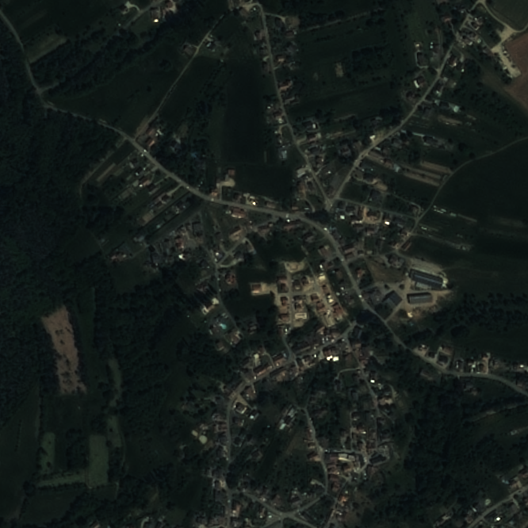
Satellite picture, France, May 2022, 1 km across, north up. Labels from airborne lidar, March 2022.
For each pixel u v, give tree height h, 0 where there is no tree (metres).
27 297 23
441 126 0
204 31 0
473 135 0
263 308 0
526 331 0
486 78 0
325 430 6
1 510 0
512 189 0
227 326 0
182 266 25
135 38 17
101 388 12
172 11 0
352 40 0
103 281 15
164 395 14
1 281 31
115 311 16
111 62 16
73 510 16
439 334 14
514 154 0
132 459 0
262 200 0
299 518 0
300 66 7
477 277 0
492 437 9
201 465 10
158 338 33
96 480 0
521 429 0
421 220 0
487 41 0
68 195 21
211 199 0
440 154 0
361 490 13
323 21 13
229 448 0
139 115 0
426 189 0
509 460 8
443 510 0
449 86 0
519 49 0
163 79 0
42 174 20
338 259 9
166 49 0
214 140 0
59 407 0
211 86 9
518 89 0
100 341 26
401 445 0
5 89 28
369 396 6
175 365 0
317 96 0
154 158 6
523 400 16
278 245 0
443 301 0
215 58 0
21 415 0
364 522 0
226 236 0
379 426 12
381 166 0
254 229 0
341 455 0
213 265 0
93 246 0
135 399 21
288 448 0
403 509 9
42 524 0
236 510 0
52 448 0
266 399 11
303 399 0
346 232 0
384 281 0
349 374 0
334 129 0
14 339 24
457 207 0
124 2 0
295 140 0
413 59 0
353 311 0
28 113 25
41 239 24
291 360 0
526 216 0
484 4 0
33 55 0
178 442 10
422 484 19
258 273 0
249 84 0
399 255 0
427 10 0
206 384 0
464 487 8
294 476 5
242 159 0
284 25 9
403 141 12
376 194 0
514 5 0
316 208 0
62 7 0
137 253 0
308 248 10
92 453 0
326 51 0
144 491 19
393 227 10
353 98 0
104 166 0
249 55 0
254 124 0
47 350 22
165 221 9
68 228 21
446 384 13
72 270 11
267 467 0
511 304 18
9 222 25
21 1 0
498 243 0
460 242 0
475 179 0
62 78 19
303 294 0
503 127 0
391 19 0
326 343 0
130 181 0
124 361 18
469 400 0
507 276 0
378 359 0
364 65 17
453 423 19
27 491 16
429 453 26
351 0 0
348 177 0
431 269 0
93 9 0
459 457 10
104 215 26
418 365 0
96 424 8
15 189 25
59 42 0
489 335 0
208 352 11
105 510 19
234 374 9
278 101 6
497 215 0
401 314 0
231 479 13
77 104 0
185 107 0
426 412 23
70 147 15
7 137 19
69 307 20
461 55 0
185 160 12
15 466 0
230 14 8
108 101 0
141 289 17
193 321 0
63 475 9
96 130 16
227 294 7
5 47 19
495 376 0
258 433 0
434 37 0
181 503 0
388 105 0
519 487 0
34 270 27
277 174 0
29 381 17
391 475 11
